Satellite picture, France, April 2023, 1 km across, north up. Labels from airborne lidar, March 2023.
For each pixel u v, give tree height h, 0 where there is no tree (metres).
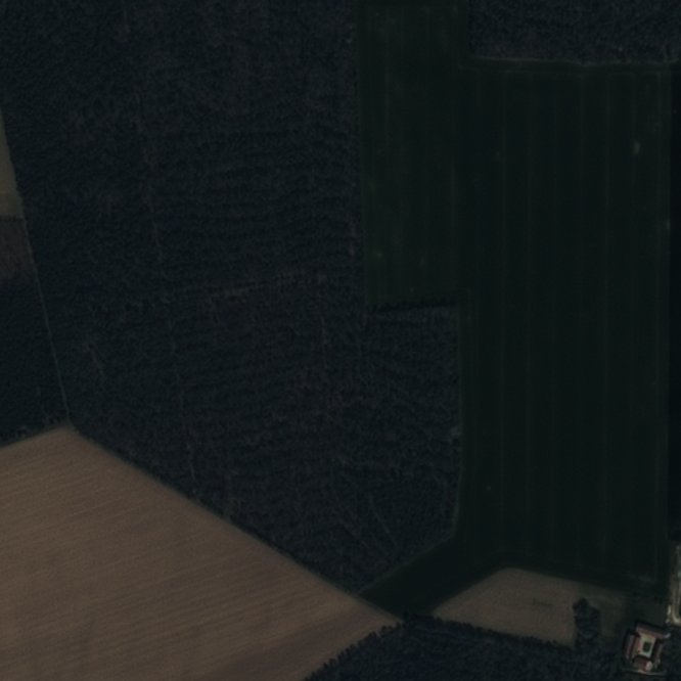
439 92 0
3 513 0
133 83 11
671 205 0
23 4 16
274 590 0
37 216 16
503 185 0
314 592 0
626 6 6
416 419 12
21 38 13
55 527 0
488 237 0
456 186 0
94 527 0
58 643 0
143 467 10
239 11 13
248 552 0
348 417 15
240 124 13
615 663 15
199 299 12
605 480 0
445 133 0
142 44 14
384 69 0
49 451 0
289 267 11
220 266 15
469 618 0
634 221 0
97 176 14
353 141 14
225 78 12
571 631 0
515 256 0
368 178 0
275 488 14
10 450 0
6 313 11
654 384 0
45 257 14
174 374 12
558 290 0
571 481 0
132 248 14
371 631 0
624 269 0
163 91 13
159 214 10
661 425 0
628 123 0
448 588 0
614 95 0
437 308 14
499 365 0
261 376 13
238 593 0
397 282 0
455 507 9
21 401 10
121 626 0
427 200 0
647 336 0
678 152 0
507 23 15
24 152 13
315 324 13
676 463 0
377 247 0
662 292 0
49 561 0
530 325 0
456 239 0
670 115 0
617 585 0
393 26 0
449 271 0
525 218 0
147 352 10
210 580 0
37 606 0
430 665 15
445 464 13
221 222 14
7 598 0
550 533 0
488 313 0
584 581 0
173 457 11
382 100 0
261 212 15
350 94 14
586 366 0
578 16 14
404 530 12
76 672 0
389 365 12
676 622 0
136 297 16
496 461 0
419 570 0
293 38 15
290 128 6
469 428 0
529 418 0
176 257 11
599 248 0
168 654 0
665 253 0
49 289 12
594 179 0
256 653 0
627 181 0
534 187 0
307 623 0
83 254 14
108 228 15
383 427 13
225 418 13
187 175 12
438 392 13
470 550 0
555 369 0
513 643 14
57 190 11
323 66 12
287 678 0
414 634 13
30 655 0
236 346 13
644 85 0
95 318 12
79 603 0
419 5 0
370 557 14
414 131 0
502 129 0
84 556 0
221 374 13
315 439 13
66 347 13
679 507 0
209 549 0
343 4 15
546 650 15
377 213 0
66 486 0
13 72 12
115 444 11
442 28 0
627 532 0
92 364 11
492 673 11
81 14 14
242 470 13
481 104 0
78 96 13
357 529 16
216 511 6
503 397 0
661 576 0
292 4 9
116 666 0
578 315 0
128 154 14
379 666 16
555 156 0
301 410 13
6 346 10
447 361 11
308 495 13
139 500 0
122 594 0
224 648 0
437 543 9
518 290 0
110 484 0
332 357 14
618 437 0
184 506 0
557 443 0
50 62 13
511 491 0
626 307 0
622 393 0
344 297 13
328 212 12
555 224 0
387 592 0
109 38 14
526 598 0
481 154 0
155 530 0
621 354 0
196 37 11
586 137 0
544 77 0
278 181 14
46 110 11
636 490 0
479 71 0
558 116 0
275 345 13
